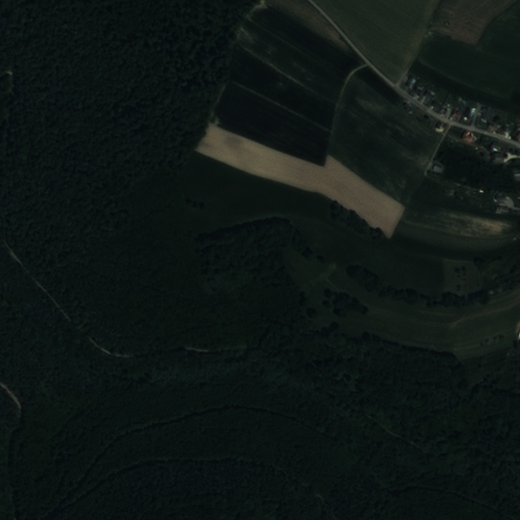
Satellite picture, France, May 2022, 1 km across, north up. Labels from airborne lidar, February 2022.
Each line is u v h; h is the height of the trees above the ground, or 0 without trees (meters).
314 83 0
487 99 0
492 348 0
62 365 16
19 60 27
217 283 13
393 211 0
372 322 0
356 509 19
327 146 0
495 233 0
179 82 26
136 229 9
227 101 0
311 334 16
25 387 21
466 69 0
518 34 0
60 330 10
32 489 18
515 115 0
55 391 19
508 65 0
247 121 0
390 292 16
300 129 0
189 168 0
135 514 19
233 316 9
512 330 0
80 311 28
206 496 23
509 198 0
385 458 11
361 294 0
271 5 0
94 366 13
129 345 8
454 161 0
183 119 30
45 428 14
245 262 30
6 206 29
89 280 9
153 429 17
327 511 15
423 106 0
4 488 19
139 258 9
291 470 20
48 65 27
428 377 27
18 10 26
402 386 22
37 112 27
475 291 0
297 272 0
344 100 0
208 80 15
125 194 10
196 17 35
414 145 0
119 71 30
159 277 9
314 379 26
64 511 17
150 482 19
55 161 27
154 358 21
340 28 0
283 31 0
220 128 0
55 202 28
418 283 0
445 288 0
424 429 20
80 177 29
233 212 0
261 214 0
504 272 0
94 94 26
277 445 18
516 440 29
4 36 27
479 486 14
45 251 30
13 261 17
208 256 28
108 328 10
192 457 16
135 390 17
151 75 26
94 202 26
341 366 26
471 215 0
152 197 9
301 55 0
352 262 0
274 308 11
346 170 0
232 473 22
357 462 19
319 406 15
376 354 26
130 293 9
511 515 10
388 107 0
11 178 25
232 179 0
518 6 0
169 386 11
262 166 0
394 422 25
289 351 27
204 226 0
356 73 0
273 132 0
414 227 0
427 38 0
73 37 28
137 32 10
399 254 0
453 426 27
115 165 27
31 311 11
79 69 28
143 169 28
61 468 19
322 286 0
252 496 19
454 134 0
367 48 0
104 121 31
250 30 0
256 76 0
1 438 24
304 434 15
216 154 0
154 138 29
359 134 0
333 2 0
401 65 0
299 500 13
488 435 24
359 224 16
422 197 0
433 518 15
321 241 0
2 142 28
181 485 20
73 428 16
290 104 0
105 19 30
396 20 0
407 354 18
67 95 26
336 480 16
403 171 0
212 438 15
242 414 13
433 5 0
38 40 28
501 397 22
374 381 25
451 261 0
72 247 27
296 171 0
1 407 24
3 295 10
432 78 0
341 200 0
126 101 30
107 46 27
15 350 19
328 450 17
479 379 0
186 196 0
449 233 0
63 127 26
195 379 16
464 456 21
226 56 19
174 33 16
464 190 0
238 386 12
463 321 0
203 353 8
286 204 0
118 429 16
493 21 0
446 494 9
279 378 20
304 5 0
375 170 0
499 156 0
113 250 11
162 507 15
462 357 0
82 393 15
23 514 18
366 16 0
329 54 0
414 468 20
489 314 0
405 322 0
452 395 18
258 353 22
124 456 21
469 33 0
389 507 19
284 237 29
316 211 0
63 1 29
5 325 19
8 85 19
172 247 7
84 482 16
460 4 0
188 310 10
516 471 26
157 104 29
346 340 27
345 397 27
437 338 0
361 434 15
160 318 8
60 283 24
